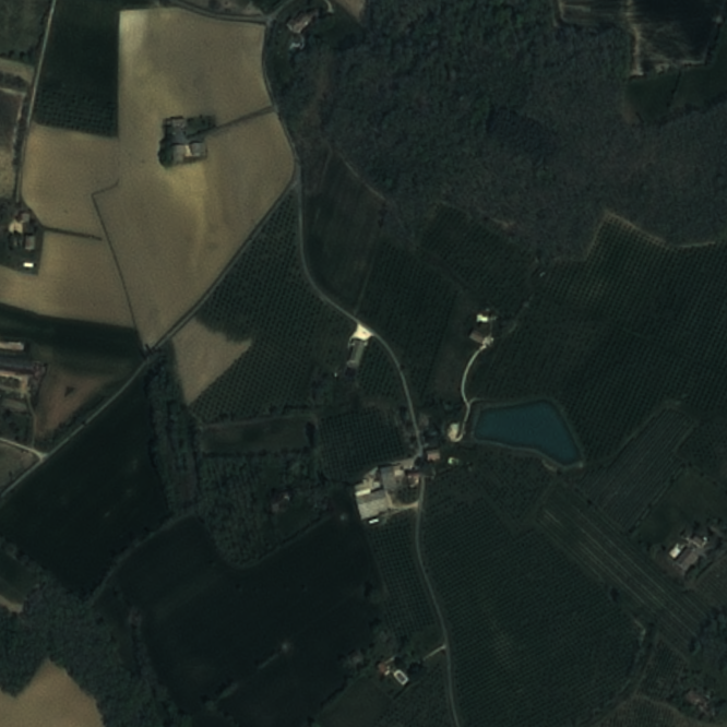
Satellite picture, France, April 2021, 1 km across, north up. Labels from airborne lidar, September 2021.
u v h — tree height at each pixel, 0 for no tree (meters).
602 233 6
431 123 21
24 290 0
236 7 0
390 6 24
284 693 0
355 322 0
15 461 0
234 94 0
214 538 16
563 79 20
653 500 6
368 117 15
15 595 0
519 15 16
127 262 0
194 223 0
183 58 0
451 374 0
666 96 0
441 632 0
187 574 0
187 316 0
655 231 22
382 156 14
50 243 0
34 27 0
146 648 15
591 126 19
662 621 7
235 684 14
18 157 10
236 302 5
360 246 0
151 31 0
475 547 6
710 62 7
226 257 0
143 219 0
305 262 0
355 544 0
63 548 0
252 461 15
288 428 0
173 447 16
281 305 6
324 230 0
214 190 0
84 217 0
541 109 23
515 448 0
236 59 0
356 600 0
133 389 0
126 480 0
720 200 25
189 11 0
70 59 0
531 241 19
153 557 0
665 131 20
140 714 25
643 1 0
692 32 0
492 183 22
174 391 21
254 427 0
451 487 5
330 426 6
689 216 24
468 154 24
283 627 0
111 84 0
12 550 16
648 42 0
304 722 0
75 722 0
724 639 9
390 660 0
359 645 0
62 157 0
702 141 21
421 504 0
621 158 16
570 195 23
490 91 22
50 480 0
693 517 0
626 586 6
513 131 19
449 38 24
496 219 16
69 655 19
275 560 0
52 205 0
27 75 0
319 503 7
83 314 0
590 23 0
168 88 0
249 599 0
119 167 0
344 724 0
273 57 10
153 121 0
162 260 0
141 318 0
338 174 0
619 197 15
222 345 0
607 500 6
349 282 0
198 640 0
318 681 0
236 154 0
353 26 0
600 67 19
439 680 6
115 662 24
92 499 0
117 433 0
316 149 12
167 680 0
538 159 18
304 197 0
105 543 0
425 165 19
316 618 0
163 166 10
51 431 0
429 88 19
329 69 8
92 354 0
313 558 0
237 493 26
